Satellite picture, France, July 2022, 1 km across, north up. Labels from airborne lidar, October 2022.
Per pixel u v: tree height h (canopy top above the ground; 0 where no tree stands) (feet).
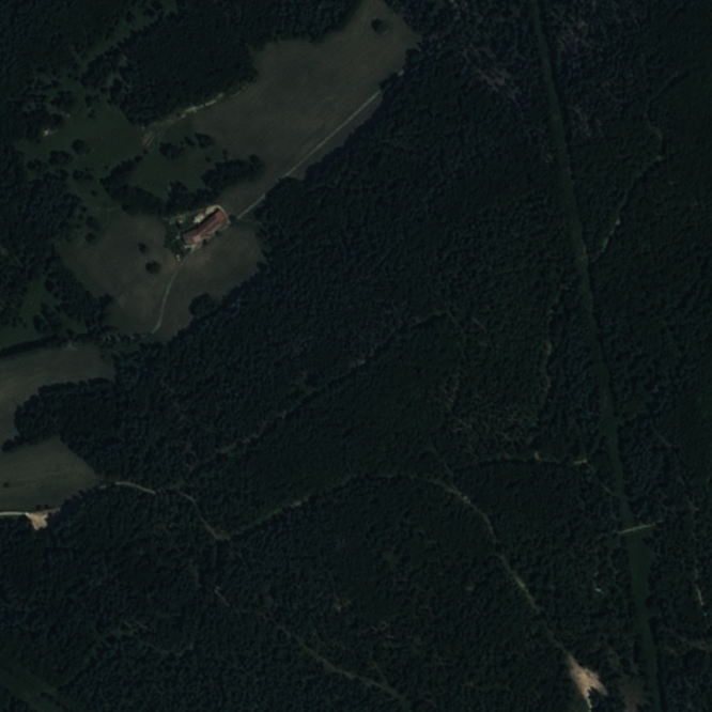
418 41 0
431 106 101
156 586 56
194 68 70
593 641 61
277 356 101
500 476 78
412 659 57
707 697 26
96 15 69
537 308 67
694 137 67
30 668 52
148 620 71
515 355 65
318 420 67
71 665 61
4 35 99
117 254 0
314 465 59
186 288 0
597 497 64
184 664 79
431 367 73
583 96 79
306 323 86
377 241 97
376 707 63
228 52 70
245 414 75
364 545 45
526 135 86
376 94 0
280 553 70
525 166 88
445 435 60
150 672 23
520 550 60
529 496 82
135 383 102
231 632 75
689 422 89
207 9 71
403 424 49
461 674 57
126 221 0
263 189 0
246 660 79
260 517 71
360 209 91
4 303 70
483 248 79
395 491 66
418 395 59
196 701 69
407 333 86
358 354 65
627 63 75
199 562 48
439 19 46
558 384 93
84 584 102
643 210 83
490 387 66
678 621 33
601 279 68
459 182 98
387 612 51
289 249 89
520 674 58
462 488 83
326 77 0
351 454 62
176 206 74
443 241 60
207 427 67
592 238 41
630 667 108
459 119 86
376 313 73
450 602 57
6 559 92
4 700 59
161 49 67
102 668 68
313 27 99
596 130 68
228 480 61
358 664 44
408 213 75
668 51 76
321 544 50
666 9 82
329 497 80
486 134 99
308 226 103
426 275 54
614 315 90
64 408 39
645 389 32
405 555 27
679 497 92
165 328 0
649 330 92
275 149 0
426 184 78
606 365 54
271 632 70
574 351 94
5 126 82
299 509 43
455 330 76
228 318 83
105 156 0
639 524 65
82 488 0
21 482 0
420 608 54
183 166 0
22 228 86
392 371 66
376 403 51
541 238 77
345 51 0
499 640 75
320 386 84
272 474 72
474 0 77
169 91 72
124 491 52
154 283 0
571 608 35
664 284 82
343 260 95
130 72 71
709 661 58
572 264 83
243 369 96
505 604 62
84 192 0
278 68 0
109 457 90
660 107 81
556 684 87
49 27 53
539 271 37
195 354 83
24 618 113
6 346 0
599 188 55
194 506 63
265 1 62
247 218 0
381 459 64
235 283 0
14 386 0
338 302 76
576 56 89
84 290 39
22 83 62
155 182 0
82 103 0
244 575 92
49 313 65
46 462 0
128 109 67
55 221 97
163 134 0
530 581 20
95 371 0
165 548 86
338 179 94
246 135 0
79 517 89
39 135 73
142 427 117
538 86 65
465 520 76
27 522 70
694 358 61
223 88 77
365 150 98
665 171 66
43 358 0
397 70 0
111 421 33
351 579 65
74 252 0
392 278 87
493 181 76
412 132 109
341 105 0
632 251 69
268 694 55
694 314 79
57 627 65
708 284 44
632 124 73
